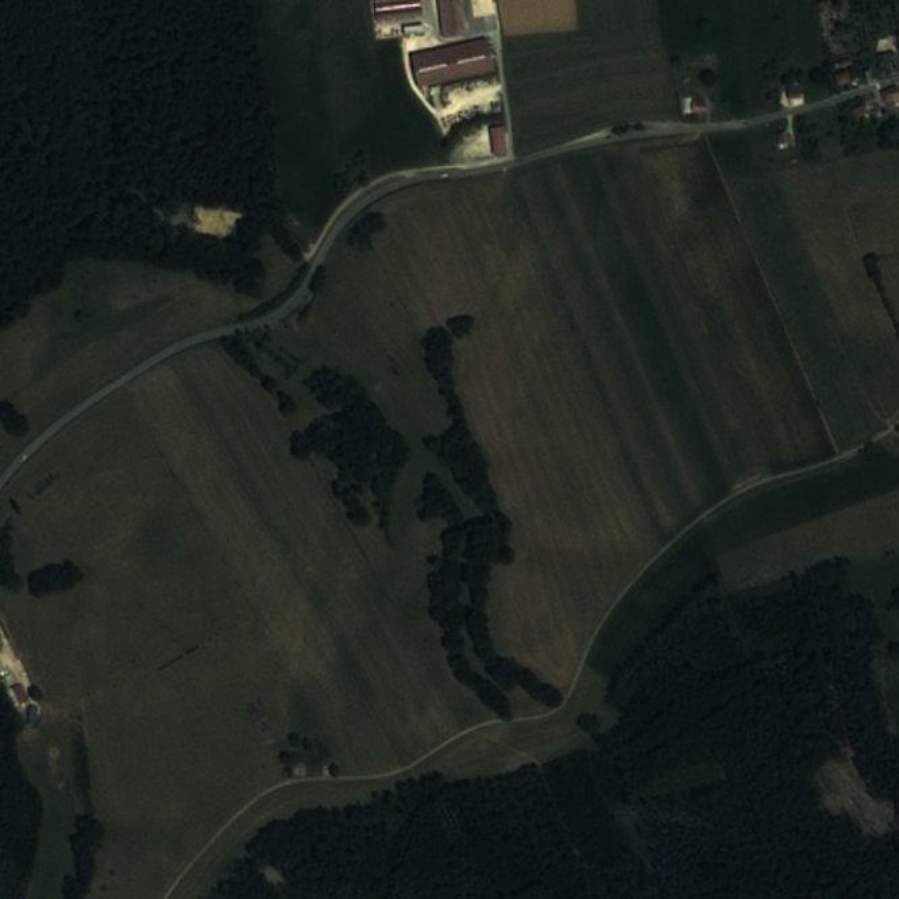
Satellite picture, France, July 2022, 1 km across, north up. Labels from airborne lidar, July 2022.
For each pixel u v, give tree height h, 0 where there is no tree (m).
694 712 16
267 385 16
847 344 0
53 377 0
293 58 0
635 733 14
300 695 0
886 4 8
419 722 0
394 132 0
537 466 0
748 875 22
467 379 0
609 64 0
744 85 0
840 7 9
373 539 0
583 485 0
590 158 0
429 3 0
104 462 0
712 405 0
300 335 0
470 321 11
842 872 27
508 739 0
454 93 0
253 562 0
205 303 0
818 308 0
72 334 0
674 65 8
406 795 19
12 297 19
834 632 24
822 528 0
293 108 0
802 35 0
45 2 17
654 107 0
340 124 0
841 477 0
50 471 0
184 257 26
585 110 0
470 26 0
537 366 0
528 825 17
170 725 0
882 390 0
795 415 0
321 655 0
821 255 0
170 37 23
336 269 0
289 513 0
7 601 0
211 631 0
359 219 0
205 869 0
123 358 0
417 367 0
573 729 0
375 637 0
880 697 28
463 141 0
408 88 0
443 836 20
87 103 24
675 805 25
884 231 0
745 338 0
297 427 0
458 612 22
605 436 0
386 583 0
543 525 0
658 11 0
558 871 13
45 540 0
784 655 11
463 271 0
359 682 0
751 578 0
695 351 0
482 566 17
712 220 0
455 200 0
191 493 0
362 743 0
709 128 0
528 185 0
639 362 0
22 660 0
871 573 0
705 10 0
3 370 0
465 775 0
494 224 0
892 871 15
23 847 18
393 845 17
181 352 0
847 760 0
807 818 25
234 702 0
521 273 0
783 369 0
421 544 0
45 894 0
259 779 0
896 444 0
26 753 0
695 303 0
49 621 0
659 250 0
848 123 7
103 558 0
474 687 18
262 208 19
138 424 0
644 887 23
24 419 9
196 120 24
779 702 19
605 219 0
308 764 0
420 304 0
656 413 0
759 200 0
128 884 0
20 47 24
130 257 18
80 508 0
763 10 0
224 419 0
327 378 21
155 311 0
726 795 14
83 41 24
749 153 0
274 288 0
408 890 18
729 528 0
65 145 18
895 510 0
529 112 0
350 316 0
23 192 19
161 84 26
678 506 0
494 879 13
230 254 25
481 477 19
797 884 12
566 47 0
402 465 19
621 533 0
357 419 19
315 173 0
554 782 9
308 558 0
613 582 0
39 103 17
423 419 0
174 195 27
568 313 0
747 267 0
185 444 0
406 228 0
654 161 0
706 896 18
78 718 0
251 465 0
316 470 0
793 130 0
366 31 0
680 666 13
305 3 0
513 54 0
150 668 0
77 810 0
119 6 18
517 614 0
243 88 21
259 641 0
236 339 11
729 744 15
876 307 0
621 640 0
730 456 0
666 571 0
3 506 0
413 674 0
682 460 0
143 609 0
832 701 23
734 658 6
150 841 0
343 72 0
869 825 0
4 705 19
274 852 25
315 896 19
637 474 0
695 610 24
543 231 0
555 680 0
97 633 0
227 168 17
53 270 21
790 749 27
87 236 23
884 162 0
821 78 15
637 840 0
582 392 0
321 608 0
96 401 0
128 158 22
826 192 0
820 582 19
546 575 0
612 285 0
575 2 0
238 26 10
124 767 0
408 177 0
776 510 0
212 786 0
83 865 14
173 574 0
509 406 0
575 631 0
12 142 13
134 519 0
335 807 0
